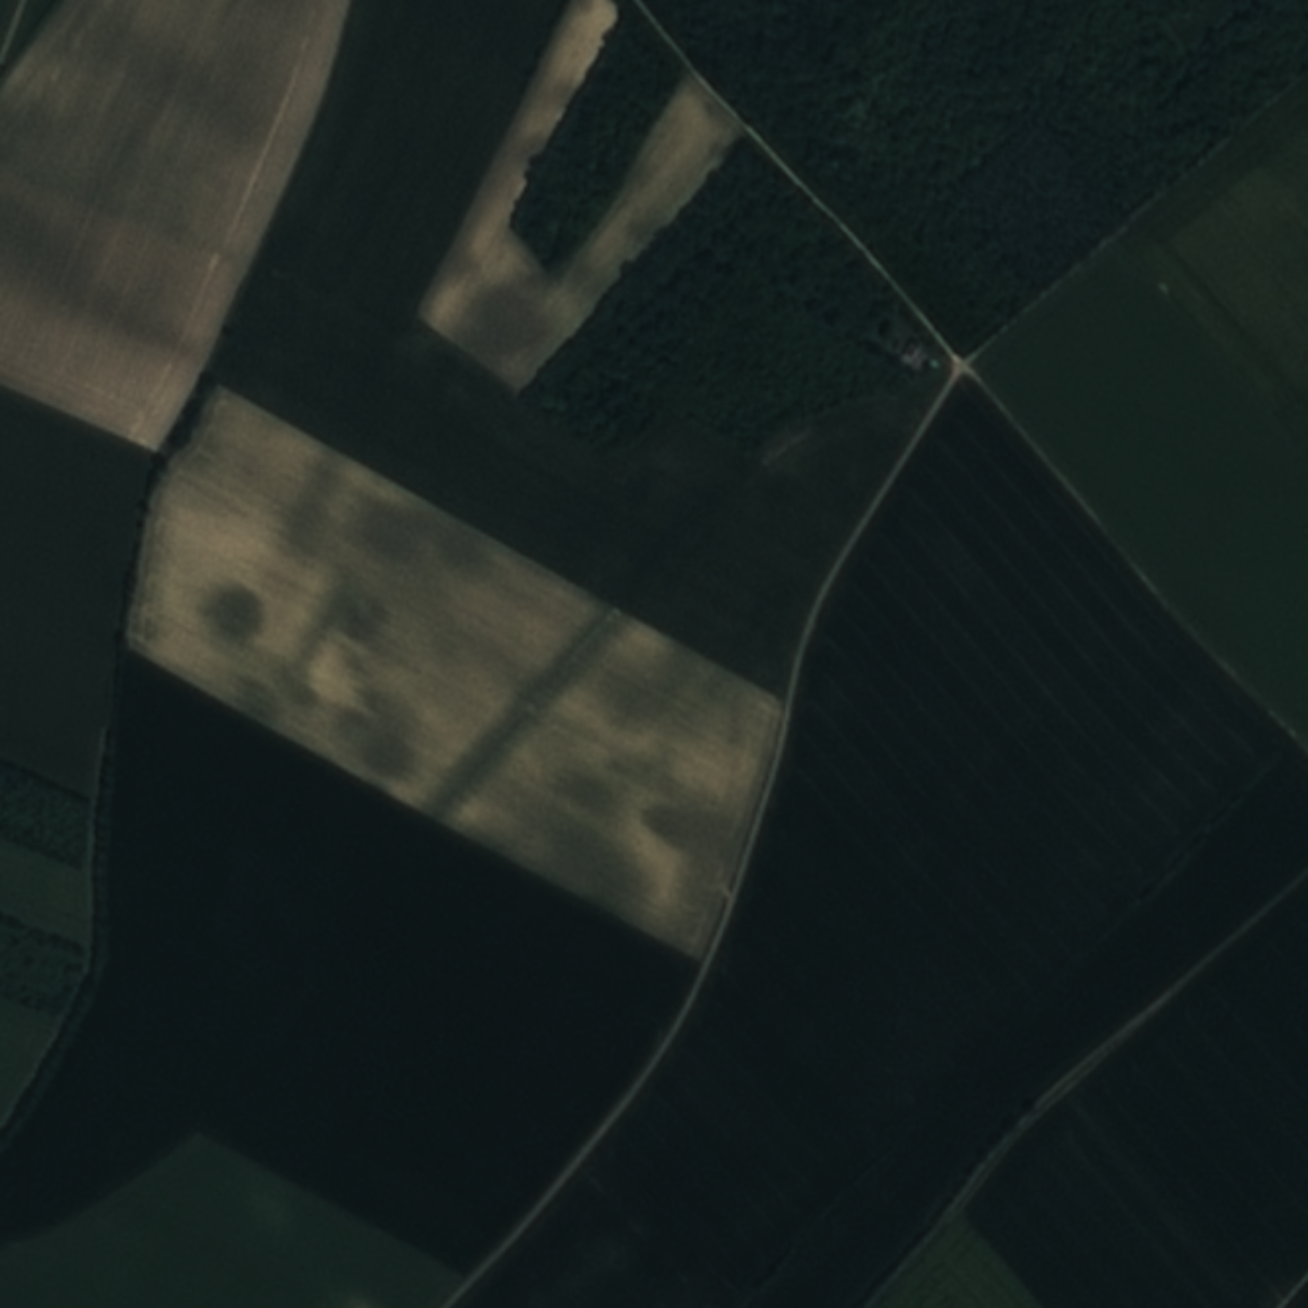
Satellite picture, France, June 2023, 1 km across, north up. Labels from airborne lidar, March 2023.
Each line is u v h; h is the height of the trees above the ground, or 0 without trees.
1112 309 0
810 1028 0
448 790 0
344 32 0
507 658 0
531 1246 0
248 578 0
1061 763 0
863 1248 0
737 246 18
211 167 0
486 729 0
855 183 17
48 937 9
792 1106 0
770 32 21
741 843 0
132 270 0
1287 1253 0
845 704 0
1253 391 0
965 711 0
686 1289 0
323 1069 0
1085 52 10
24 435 0
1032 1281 0
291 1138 0
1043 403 0
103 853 8
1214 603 0
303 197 0
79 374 0
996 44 15
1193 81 15
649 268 14
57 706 0
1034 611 0
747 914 0
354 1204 0
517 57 0
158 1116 0
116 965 0
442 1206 0
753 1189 0
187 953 0
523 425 0
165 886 0
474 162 0
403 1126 0
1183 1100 0
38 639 0
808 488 0
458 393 0
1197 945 0
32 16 0
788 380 8
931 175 13
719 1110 0
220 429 0
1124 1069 0
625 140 14
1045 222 17
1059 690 0
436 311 0
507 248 0
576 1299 0
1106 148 20
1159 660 0
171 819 0
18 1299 0
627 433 9
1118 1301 0
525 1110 0
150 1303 0
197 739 0
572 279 0
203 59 0
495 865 0
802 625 0
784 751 0
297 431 0
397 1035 0
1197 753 0
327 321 0
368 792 0
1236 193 0
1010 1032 0
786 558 0
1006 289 15
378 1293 0
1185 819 0
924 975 0
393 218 0
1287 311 0
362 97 0
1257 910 0
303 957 0
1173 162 16
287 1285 0
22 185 0
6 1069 0
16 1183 0
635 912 0
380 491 0
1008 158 17
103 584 0
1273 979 0
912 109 15
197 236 0
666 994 0
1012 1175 0
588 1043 0
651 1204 0
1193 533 0
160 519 0
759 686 0
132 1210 0
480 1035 0
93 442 0
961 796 0
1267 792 0
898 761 0
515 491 0
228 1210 0
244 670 0
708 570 0
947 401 0
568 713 0
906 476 0
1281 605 0
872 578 0
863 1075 0
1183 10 9
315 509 0
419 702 0
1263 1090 0
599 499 0
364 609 0
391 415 0
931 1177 0
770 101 18
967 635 0
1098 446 0
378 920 0
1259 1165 0
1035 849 0
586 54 0
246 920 0
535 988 0
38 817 7
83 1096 0
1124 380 0
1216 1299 0
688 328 13
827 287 14
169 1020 0
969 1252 0
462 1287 0
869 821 0
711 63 17
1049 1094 0
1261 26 10
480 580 0
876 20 16
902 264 6
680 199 0
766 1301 0
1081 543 0
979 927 0
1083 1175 0
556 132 7
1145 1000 0
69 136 0
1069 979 0
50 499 0
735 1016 0
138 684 0
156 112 0
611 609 0
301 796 0
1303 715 0
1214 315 0
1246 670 0
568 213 14
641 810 0
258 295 0
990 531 0
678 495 0
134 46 0
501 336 0
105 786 9
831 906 0
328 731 0
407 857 0
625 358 13
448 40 0
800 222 15
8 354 0
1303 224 0
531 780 0
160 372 0
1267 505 0
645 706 0
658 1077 0
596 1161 0
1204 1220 0
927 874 0
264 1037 0
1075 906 0
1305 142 0
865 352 8
